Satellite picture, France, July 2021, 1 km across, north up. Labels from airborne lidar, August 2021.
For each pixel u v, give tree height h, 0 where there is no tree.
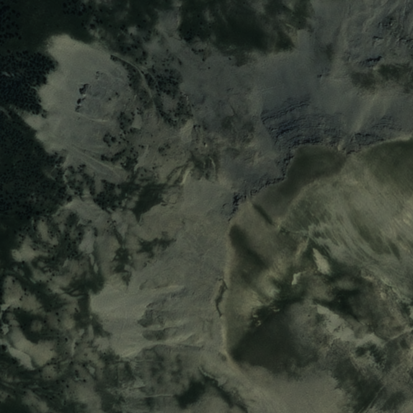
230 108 0
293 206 0
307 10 0
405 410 0
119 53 0
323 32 0
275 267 0
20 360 0
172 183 0
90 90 0
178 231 0
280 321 0
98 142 0
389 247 0
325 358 0
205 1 0
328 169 0
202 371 0
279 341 0
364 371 0
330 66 0
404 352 0
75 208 0
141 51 0
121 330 0
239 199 0
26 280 0
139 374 0
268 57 0
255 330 0
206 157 0
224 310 0
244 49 0
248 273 0
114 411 0
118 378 0
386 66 0
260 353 0
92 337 0
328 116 0
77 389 0
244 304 0
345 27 0
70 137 0
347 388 0
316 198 0
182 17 0
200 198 0
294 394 0
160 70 0
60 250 0
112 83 0
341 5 0
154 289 0
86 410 0
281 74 0
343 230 0
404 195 0
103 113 0
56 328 0
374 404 0
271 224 0
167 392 0
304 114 0
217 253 0
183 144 0
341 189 0
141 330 0
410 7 0
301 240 0
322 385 0
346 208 0
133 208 0
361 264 0
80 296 0
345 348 0
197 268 0
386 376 0
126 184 0
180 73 0
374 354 0
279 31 0
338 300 0
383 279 0
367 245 0
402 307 0
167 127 0
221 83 0
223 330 0
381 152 0
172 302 0
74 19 0
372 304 0
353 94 0
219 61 0
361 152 0
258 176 0
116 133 0
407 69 0
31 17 0
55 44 0
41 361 0
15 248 0
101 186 0
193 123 0
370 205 0
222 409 0
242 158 0
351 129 0
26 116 0
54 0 0
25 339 0
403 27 0
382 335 0
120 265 0
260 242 0
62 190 6
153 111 0
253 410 0
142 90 0
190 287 0
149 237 0
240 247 0
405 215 0
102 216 0
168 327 0
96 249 0
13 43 0
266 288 0
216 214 0
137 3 0
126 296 0
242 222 0
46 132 0
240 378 0
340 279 0
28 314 0
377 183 0
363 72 0
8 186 0
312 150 0
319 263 0
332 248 0
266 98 0
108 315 0
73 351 0
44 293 0
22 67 6
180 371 0
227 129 0
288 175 0
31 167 7
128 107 0
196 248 0
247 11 0
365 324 0
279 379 0
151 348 0
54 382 0
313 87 0
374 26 0
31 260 0
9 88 10
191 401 0
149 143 0
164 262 0
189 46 0
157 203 0
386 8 0
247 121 0
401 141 0
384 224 0
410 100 0
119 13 0
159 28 0
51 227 0
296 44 0
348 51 0
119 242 0
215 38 0
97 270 0
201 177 0
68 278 0
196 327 0
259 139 0
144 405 0
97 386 0
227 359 0
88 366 0
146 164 0
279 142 0
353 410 0
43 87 0
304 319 0
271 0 0
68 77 0
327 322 0
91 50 0
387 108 0
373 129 0
